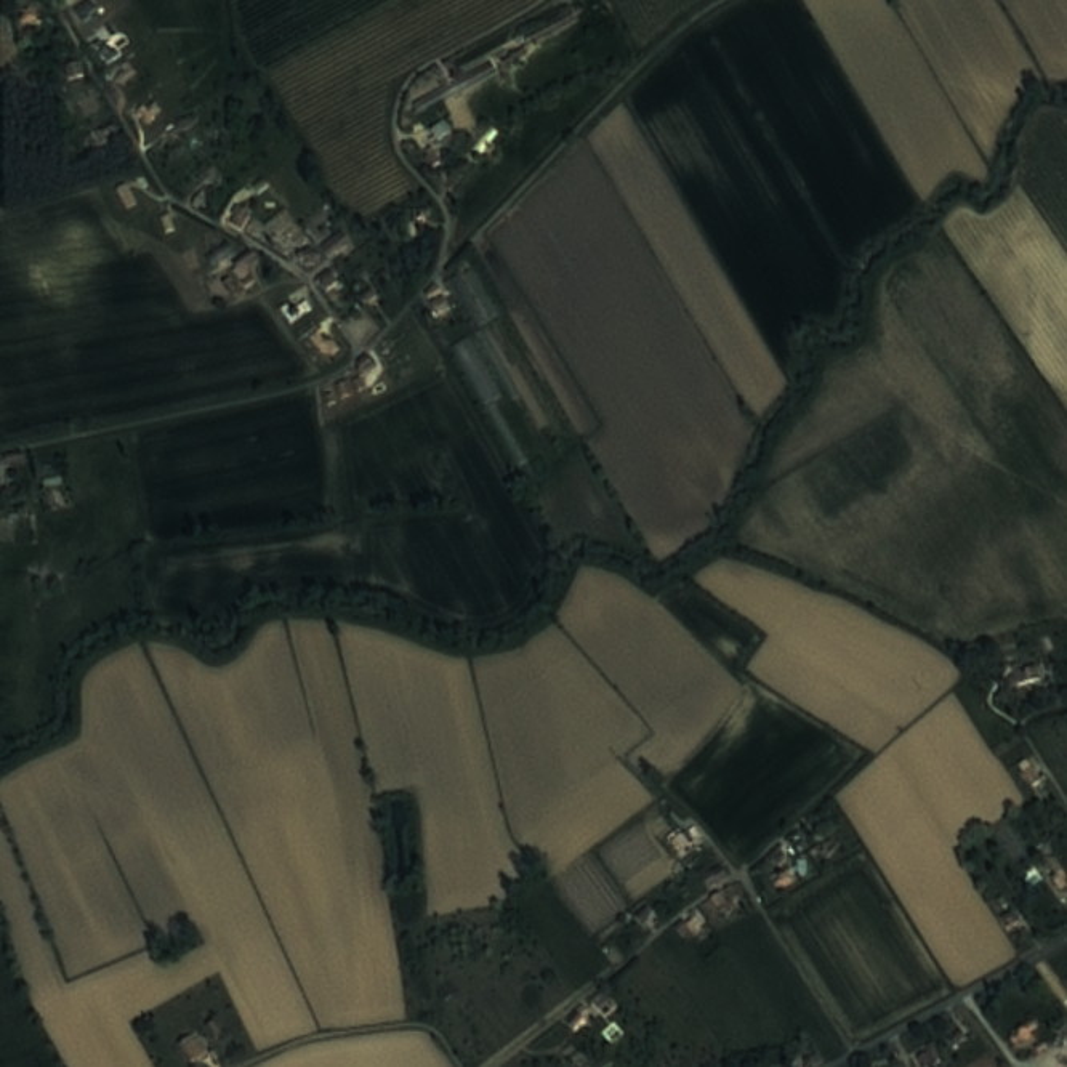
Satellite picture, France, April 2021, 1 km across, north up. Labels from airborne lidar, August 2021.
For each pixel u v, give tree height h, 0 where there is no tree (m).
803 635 0
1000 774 0
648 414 0
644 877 0
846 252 0
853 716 0
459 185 8
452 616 0
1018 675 0
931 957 0
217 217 12
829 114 0
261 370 0
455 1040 0
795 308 0
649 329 0
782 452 0
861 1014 0
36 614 0
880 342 0
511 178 0
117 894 0
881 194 0
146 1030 8
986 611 0
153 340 0
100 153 12
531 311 0
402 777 0
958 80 0
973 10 0
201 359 0
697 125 0
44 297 0
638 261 0
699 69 0
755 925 0
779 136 0
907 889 0
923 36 0
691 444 0
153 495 0
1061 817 8
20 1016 0
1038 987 20
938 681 0
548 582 12
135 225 0
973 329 0
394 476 0
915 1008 0
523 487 20
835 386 0
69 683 6
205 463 0
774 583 0
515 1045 0
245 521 0
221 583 0
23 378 0
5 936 10
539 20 7
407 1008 0
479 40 0
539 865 27
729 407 0
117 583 0
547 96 11
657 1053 12
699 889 0
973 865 14
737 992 0
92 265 0
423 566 0
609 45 0
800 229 0
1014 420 0
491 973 0
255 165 7
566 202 0
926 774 0
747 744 0
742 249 0
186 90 0
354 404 0
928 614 0
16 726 0
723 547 7
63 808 0
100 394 0
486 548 0
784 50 0
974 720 0
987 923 0
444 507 21
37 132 12
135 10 0
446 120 6
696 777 0
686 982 0
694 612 0
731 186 0
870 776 0
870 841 0
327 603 16
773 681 0
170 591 0
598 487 0
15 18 14
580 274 0
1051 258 0
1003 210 0
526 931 8
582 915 0
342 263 8
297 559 0
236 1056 20
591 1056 8
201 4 0
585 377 0
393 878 21
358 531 0
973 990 0
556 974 9
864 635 0
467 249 7
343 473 0
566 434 0
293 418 0
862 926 0
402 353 0
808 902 0
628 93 0
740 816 0
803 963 0
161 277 0
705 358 0
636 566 9
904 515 0
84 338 0
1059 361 0
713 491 0
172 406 0
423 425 0
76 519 0
